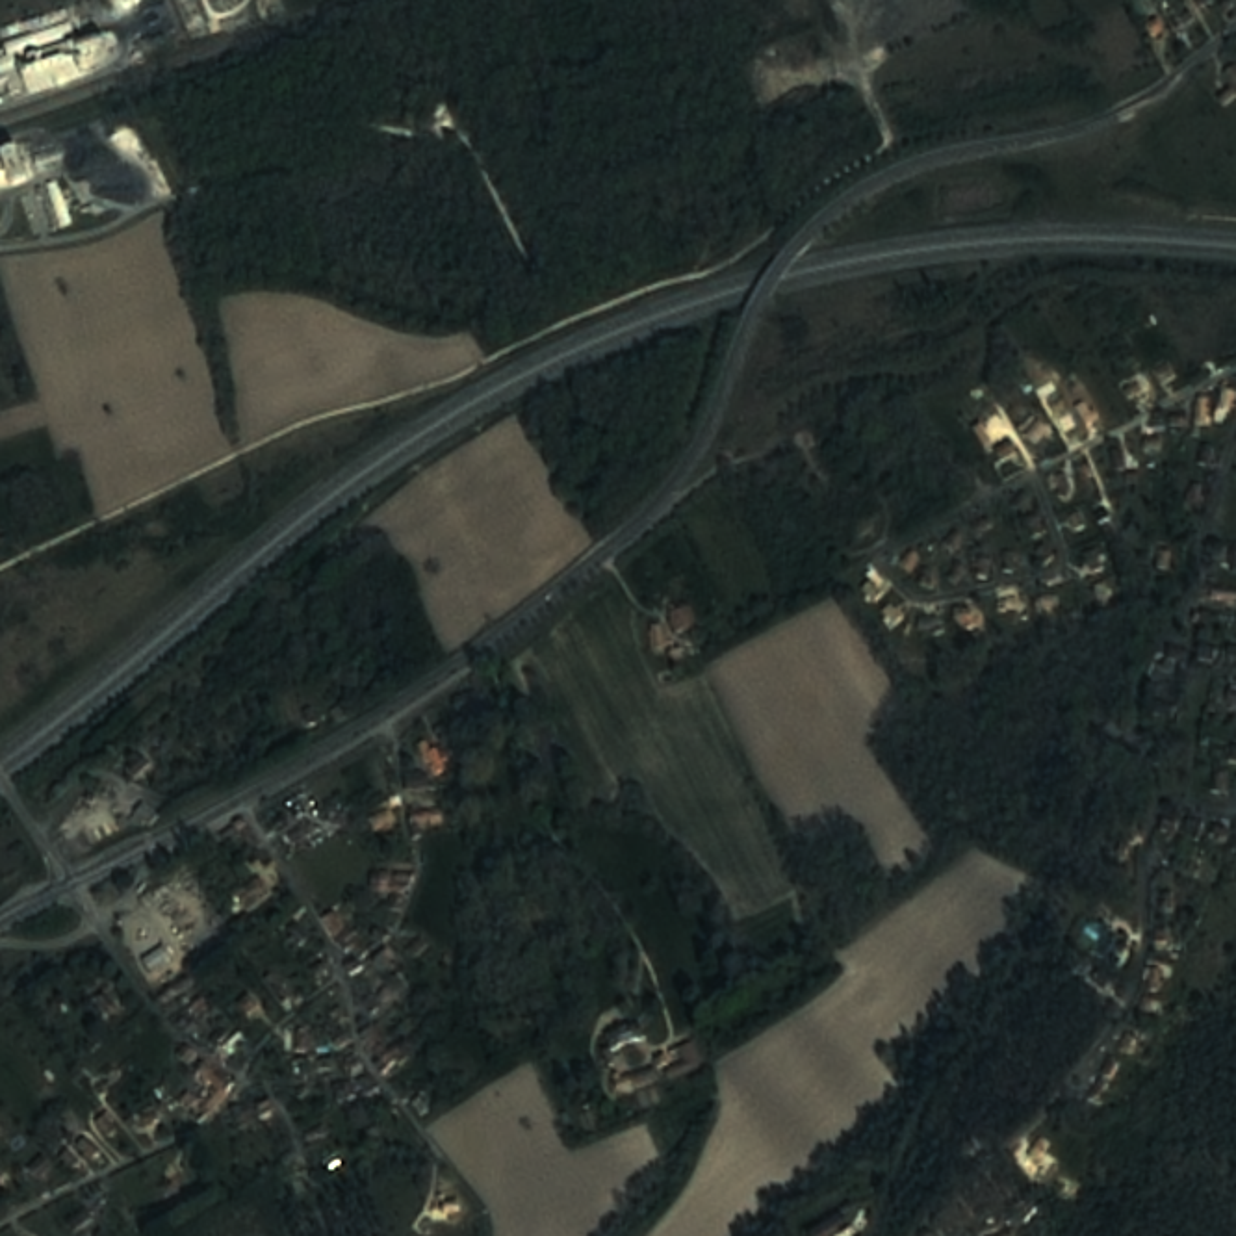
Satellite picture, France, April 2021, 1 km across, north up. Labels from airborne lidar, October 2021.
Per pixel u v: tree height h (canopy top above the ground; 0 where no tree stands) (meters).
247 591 8
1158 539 9
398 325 9
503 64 24
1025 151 0
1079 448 0
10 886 0
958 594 0
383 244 13
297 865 0
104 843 0
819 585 9
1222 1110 17
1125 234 0
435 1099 7
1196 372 7
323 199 18
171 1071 0
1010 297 6
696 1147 8
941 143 8
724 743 0
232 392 8
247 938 8
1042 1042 7
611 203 30
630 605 0
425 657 15
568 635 0
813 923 12
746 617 11
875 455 13
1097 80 9
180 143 15
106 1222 0
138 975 0
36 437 0
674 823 0
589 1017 24
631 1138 0
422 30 25
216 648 9
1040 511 11
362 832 13
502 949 16
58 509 11
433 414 0
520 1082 0
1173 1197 18
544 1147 0
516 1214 0
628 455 16
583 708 0
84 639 0
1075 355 7
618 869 0
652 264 23
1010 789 17
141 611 0
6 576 0
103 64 0
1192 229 0
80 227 0
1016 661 17
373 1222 12
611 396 16
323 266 22
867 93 0
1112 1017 13
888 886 17
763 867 0
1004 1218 11
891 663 21
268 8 0
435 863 0
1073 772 24
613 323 0
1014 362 17
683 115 20
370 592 19
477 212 19
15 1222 0
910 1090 11
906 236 0
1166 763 21
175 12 0
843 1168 12
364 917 7
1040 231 0
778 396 6
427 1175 14
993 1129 14
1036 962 23
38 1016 12
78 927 0
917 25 0
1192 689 20
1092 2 0
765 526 8
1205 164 0
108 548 13
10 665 0
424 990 8
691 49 22
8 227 0
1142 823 19
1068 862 18
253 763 20
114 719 11
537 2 6
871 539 0
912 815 11
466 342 0
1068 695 27
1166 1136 15
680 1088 0
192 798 16
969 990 18
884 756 15
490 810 26
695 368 20
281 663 9
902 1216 9
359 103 29
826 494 11
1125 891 20
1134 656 12
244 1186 6
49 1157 5
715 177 25
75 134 0
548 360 0
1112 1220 14
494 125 18
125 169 0
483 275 16
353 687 20
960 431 0
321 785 0
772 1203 11
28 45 0
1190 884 10
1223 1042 18
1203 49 0
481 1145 0
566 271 18
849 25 0
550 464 13
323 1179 10
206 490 0
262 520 0
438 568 11
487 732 33
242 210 22
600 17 20
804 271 0
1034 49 0
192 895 0
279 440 0
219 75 13
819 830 14
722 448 0
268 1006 7
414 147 18
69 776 6
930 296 7
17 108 0
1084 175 0
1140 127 0
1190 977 0
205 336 12
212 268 16
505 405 7
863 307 0
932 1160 13
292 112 22
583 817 13
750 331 0
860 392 9
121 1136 0
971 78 8
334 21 20
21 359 11
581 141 24
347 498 0
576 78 24
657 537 6
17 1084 0
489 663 13
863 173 7
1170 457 0
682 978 0
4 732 0
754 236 23
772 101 0
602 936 23
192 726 6
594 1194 0
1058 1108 8
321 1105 8
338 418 0
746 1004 23
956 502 19
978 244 0
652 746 0
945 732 19
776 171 26
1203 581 17
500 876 26
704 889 15
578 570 0
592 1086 15
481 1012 11
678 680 5
